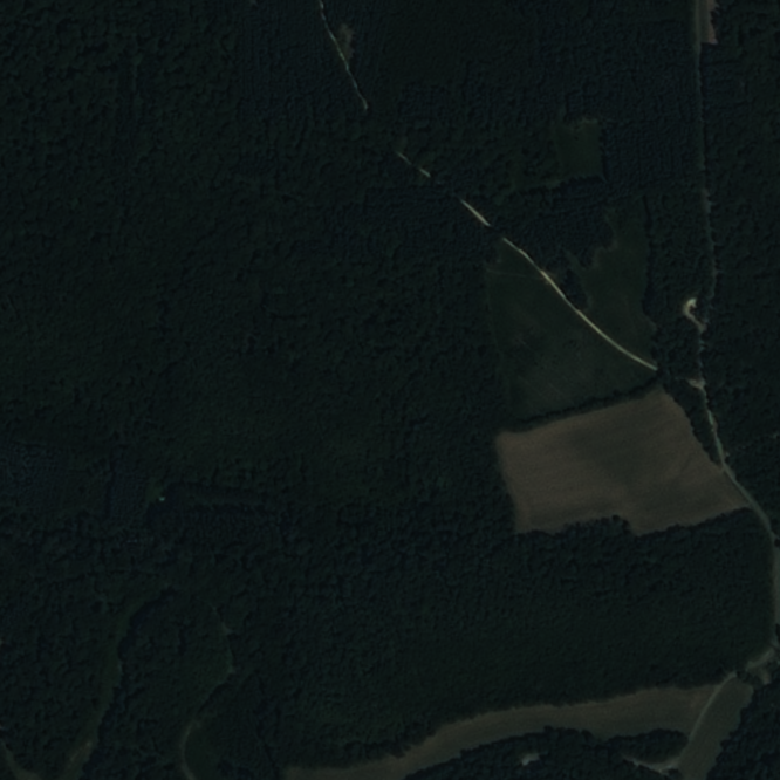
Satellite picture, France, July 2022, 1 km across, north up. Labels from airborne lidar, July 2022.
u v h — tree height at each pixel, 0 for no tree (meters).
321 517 19
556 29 23
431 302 20
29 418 19
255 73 17
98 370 15
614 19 16
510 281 0
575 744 23
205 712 18
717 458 15
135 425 19
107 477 23
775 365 23
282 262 21
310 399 20
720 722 0
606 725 0
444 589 15
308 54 21
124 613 22
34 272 20
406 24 17
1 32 7
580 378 0
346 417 15
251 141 25
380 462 19
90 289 23
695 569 16
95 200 21
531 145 22
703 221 21
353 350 20
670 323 16
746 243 21
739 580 19
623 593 14
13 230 22
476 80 22
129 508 25
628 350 0
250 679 8
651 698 0
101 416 22
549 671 18
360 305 23
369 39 22
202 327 18
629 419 0
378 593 25
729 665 21
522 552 22
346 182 21
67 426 21
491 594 18
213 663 17
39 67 30
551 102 25
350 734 16
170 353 29
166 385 18
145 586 18
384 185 24
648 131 26
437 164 23
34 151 24
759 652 12
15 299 22
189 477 25
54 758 23
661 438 0
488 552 20
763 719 19
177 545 22
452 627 10
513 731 0
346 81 22
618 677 19
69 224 21
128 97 18
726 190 17
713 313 19
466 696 16
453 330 19
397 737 13
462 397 15
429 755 0
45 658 30
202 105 20
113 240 24
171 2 19
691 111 16
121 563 18
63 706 24
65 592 32
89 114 21
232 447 17
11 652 27
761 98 21
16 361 17
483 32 18
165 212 19
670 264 15
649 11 18
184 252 22
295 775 0
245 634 24
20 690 28
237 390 17
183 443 19
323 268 24
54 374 21
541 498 0
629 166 23
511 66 20
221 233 23
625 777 22
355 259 21
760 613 15
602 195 25
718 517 0
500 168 27
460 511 28
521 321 0
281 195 20
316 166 25
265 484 19
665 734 19
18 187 23
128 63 20
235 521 28
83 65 26
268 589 24
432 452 15
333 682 12
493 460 19
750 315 21
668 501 0
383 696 15
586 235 23
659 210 21
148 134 19
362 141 21
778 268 16
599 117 25
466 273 22
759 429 13
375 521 21
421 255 22
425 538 28
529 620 12
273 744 21
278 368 19
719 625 14
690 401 21
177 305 27
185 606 22
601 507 0
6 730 15
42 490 25
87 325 17
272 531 30
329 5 17
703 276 15
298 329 20
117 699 12
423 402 11
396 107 14
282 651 17
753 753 28
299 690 12
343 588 25
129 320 20
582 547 23
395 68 15
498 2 16
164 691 15
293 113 26
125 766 23
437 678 15
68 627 18
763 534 17
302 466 22
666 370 21
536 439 0
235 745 8
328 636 23
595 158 0
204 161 24
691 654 19
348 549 25
